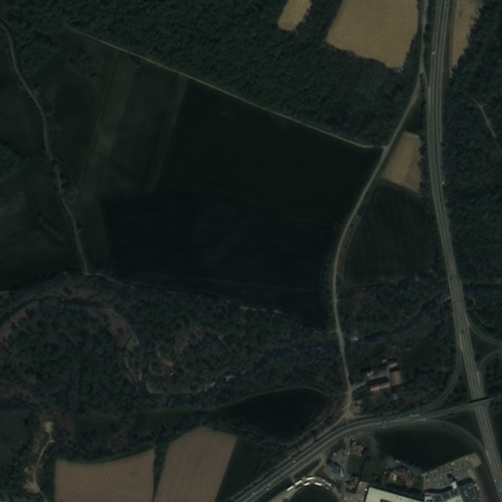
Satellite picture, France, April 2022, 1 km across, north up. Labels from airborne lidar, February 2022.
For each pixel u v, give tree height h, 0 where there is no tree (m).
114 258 0
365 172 0
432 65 0
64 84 0
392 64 0
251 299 0
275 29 18
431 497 0
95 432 0
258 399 0
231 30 24
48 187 0
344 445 0
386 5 0
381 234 0
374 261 0
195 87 0
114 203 0
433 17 15
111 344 33
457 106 17
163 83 0
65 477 0
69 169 0
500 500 0
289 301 0
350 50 0
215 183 0
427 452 0
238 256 0
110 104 0
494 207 33
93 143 0
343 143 0
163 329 22
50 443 0
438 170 0
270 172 0
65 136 0
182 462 0
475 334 0
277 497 0
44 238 0
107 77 0
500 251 32
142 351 8
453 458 0
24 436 0
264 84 25
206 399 23
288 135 0
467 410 0
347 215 0
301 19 0
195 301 24
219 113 0
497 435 0
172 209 0
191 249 0
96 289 23
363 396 6
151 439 14
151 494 0
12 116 0
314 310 0
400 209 0
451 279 0
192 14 26
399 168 0
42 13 28
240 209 0
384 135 14
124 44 16
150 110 0
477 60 30
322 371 21
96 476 0
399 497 0
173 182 0
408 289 27
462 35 0
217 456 0
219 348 24
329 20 25
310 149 0
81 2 21
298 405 0
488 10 28
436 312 19
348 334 20
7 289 0
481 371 0
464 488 0
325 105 28
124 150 0
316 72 30
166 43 27
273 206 0
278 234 0
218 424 22
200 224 0
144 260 0
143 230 0
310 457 0
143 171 0
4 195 0
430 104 0
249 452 0
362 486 0
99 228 0
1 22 0
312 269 0
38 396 21
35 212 0
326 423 11
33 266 0
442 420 0
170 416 0
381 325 12
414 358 0
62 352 22
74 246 0
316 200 0
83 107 0
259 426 0
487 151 9
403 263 0
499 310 19
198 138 0
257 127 0
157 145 0
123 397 22
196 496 0
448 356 16
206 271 0
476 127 30
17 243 0
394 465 0
